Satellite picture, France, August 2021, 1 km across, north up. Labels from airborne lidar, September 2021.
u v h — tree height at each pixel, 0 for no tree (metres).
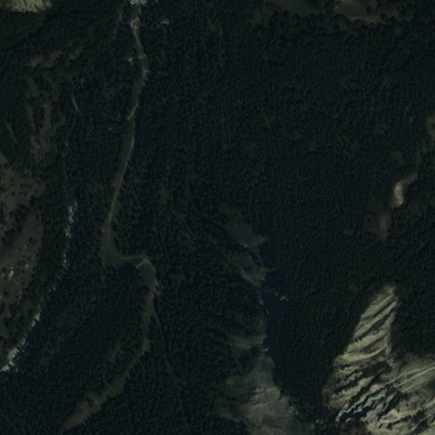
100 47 18
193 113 21
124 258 0
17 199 0
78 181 18
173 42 29
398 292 0
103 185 17
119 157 21
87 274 9
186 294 18
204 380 24
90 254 18
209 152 14
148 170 15
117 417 10
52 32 24
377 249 22
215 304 27
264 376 0
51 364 0
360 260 26
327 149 17
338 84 16
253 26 24
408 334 10
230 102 19
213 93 23
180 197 25
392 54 22
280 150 20
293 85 17
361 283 19
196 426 19
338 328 18
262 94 27
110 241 0
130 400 13
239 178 18
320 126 12
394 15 0
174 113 21
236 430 13
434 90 18
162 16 26
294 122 14
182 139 25
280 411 0
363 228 16
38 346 21
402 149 15
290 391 9
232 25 18
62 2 9
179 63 28
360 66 18
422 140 11
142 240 12
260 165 18
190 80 22
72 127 25
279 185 16
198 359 26
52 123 6
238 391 0
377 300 0
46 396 23
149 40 24
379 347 0
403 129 10
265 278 0
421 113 7
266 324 0
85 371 22
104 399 0
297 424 0
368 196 16
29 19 21
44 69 9
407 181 0
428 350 10
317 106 12
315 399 7
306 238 15
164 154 16
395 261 11
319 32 24
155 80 23
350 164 19
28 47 19
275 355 11
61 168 21
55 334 19
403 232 26
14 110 25
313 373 11
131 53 19
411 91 18
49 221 6
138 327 22
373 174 16
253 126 20
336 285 24
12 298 0
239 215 0
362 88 21
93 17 16
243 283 17
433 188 15
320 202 16
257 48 33
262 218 14
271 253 7
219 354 7
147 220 9
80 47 11
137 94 0
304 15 0
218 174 14
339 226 16
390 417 0
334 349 17
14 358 0
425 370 0
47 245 7
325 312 15
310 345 12
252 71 29
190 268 22
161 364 21
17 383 23
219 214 20
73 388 22
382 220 0
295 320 15
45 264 16
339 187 20
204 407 23
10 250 0
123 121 7
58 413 22
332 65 12
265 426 0
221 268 11
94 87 7
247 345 0
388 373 0
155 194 19
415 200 25
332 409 7
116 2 13
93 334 19
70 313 17
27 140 15
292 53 28
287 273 8
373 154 19
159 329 11
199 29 28
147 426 17
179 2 20
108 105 27
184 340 28
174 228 23
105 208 19
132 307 25
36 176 19
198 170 12
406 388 0
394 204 0
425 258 27
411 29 26
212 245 14
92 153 16
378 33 22
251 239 0
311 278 15
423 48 15
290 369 16
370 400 0
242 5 27
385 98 12
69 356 24
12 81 24
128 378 0
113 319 16
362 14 0
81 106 26
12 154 23
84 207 12
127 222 14
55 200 24
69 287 7
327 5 9
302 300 14
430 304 16
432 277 30
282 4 0
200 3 19
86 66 27
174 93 22
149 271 0
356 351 0
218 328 10
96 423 19
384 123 14
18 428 18
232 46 23
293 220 14
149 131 27
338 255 24
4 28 10
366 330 0
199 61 17
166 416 12
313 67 19
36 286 14
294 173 17
